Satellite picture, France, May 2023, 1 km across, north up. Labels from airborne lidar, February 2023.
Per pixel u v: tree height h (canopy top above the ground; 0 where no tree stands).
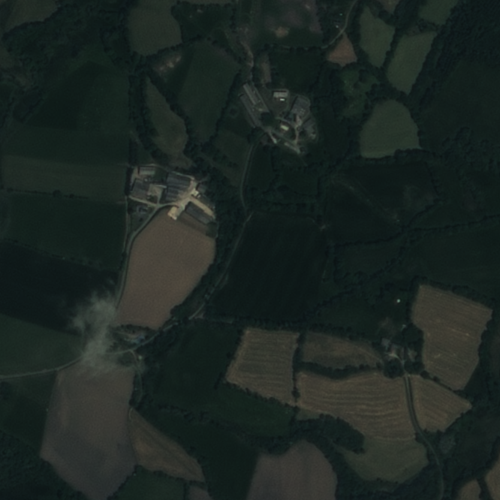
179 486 0
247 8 0
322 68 7
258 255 0
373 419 0
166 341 14
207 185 8
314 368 14
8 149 0
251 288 0
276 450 17
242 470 0
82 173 0
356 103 0
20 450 17
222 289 0
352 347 0
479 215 0
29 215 0
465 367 0
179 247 0
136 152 12
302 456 0
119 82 0
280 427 0
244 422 0
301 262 0
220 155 17
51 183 0
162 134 0
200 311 0
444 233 12
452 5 0
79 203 0
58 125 0
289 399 0
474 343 0
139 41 0
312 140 0
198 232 0
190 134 18
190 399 0
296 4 0
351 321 0
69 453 0
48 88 0
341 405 0
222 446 0
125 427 0
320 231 0
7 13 0
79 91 0
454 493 13
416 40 0
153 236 0
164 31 0
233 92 15
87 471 0
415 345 12
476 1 18
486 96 0
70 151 0
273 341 0
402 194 0
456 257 0
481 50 14
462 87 0
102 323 0
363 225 0
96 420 0
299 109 0
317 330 12
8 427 0
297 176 0
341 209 0
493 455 11
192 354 0
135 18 0
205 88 0
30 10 0
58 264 0
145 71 14
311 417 0
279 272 0
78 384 0
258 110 0
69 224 0
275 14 0
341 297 17
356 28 10
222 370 0
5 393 14
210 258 0
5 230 0
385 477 0
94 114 0
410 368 13
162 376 0
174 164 0
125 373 0
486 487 14
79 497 18
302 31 0
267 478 0
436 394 0
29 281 0
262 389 0
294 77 0
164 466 0
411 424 0
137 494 0
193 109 0
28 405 0
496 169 13
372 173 0
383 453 0
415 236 14
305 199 9
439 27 14
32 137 0
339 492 14
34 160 0
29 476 13
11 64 0
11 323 0
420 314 0
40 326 0
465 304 0
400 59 0
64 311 0
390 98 15
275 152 14
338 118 15
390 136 0
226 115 10
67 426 0
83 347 0
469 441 0
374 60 0
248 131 0
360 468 0
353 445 17
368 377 0
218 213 14
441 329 0
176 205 0
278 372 0
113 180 0
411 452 0
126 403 0
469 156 16
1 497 0
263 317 0
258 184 0
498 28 15
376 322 0
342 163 15
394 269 12
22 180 0
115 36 16
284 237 0
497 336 0
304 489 0
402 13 12
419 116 12
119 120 0
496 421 0
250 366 0
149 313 0
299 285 0
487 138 0
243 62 14
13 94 0
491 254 0
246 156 0
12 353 0
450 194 0
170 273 0
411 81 0
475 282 0
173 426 0
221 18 0
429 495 18
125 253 6
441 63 11
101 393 0
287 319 0
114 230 0
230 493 0
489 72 0
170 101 20
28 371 0
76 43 0
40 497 0
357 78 0
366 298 16
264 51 11
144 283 0
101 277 0
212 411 0
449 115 0
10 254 0
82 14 13
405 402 0
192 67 0
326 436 18
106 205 0
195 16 0
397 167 0
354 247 9
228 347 0
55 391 0
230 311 0
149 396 7
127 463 0
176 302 0
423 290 0
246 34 9
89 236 0
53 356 0
